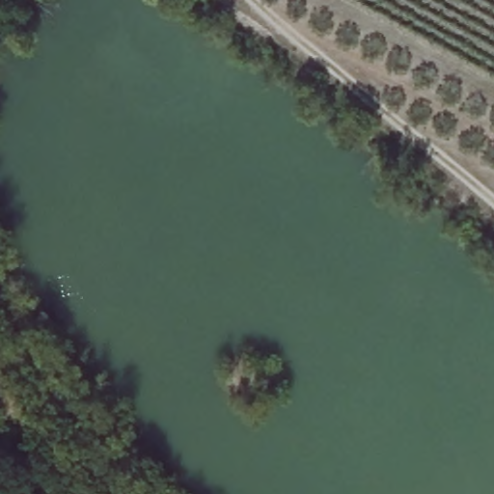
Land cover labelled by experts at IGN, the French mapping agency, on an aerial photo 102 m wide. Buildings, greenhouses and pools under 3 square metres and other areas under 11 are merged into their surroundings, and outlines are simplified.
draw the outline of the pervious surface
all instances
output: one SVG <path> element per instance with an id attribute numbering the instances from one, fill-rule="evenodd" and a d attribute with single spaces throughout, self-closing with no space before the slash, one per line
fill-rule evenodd
<path id="1" fill-rule="evenodd" d="M 268 25 L 272 25 L 280 37 L 284 37 L 291 46 L 295 46 L 297 54 L 324 62 L 332 79 L 340 83 L 355 83 L 355 77 L 343 68 L 340 62 L 336 62 L 330 54 L 326 54 L 301 31 L 297 31 L 291 19 L 288 17 L 288 0 L 243 0 L 255 14 L 261 15 Z"/>
<path id="2" fill-rule="evenodd" d="M 442 137 L 436 133 L 434 125 L 428 120 L 415 125 L 407 120 L 399 116 L 396 110 L 388 104 L 382 104 L 378 108 L 382 122 L 388 123 L 403 137 L 425 141 L 428 156 L 450 176 L 457 179 L 461 185 L 465 185 L 473 195 L 494 210 L 494 193 L 484 183 L 480 183 L 471 172 L 467 172 L 457 160 L 448 156 L 444 149 L 436 147 Z"/>

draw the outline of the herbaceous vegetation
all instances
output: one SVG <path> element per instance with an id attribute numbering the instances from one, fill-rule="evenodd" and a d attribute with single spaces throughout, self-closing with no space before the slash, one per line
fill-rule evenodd
<path id="1" fill-rule="evenodd" d="M 289 54 L 297 54 L 295 46 L 291 46 L 284 37 L 280 37 L 272 25 L 268 25 L 261 15 L 255 14 L 243 0 L 235 0 L 235 17 L 241 25 L 251 27 L 262 37 L 272 37 L 278 44 L 286 46 Z"/>
<path id="2" fill-rule="evenodd" d="M 473 195 L 465 185 L 461 185 L 457 179 L 450 176 L 448 185 L 452 191 L 457 191 L 461 203 L 467 203 Z"/>

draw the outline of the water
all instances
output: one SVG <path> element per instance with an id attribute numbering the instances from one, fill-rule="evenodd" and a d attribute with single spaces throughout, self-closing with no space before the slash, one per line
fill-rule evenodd
<path id="1" fill-rule="evenodd" d="M 151 6 L 145 6 L 141 0 L 44 0 L 39 2 L 41 25 L 37 29 L 35 54 L 27 60 L 12 56 L 0 64 L 0 183 L 8 181 L 12 185 L 15 199 L 25 206 L 23 222 L 10 232 L 15 257 L 27 257 L 31 261 L 31 270 L 41 276 L 42 282 L 58 280 L 60 297 L 68 301 L 69 311 L 73 313 L 75 322 L 87 332 L 89 342 L 95 345 L 110 345 L 112 369 L 123 369 L 127 365 L 137 367 L 137 396 L 125 401 L 131 407 L 133 421 L 143 419 L 145 423 L 156 423 L 160 426 L 168 438 L 172 453 L 181 457 L 181 465 L 187 469 L 189 477 L 205 480 L 212 494 L 494 494 L 494 288 L 488 280 L 473 272 L 469 262 L 463 259 L 463 253 L 457 243 L 440 237 L 440 228 L 434 218 L 428 222 L 409 224 L 403 216 L 396 216 L 390 210 L 380 210 L 372 206 L 370 199 L 378 189 L 380 181 L 374 176 L 367 152 L 342 152 L 334 149 L 326 139 L 324 123 L 318 122 L 313 127 L 305 127 L 293 120 L 291 96 L 284 89 L 274 87 L 268 93 L 262 91 L 262 79 L 266 75 L 264 71 L 249 73 L 230 68 L 224 62 L 224 56 L 218 48 L 206 46 L 203 37 L 185 31 L 178 23 L 158 17 Z M 291 367 L 293 370 L 293 384 L 288 388 L 288 407 L 272 413 L 266 425 L 257 432 L 249 430 L 241 423 L 239 417 L 233 415 L 232 409 L 226 405 L 224 390 L 218 386 L 214 378 L 216 365 L 222 359 L 239 359 L 241 355 L 276 357 L 282 363 L 282 367 Z"/>

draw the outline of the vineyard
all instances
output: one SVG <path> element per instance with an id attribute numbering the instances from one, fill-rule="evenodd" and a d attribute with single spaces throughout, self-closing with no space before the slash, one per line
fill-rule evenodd
<path id="1" fill-rule="evenodd" d="M 469 64 L 494 75 L 494 0 L 357 0 L 372 12 L 396 21 L 401 27 L 407 27 L 409 31 L 425 37 L 426 41 L 434 42 L 450 50 L 455 56 L 467 60 Z"/>

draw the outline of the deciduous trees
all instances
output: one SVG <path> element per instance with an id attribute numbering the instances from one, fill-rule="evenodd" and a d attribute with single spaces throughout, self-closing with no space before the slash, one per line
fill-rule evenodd
<path id="1" fill-rule="evenodd" d="M 0 64 L 12 56 L 27 60 L 35 54 L 37 29 L 41 25 L 39 2 L 44 0 L 0 0 Z"/>
<path id="2" fill-rule="evenodd" d="M 448 137 L 452 133 L 457 120 L 453 118 L 452 112 L 432 112 L 428 98 L 417 98 L 411 104 L 407 120 L 415 125 L 428 120 L 434 125 L 436 133 L 442 137 Z"/>
<path id="3" fill-rule="evenodd" d="M 291 19 L 303 17 L 307 0 L 288 0 L 288 17 Z"/>
<path id="4" fill-rule="evenodd" d="M 382 91 L 376 91 L 372 85 L 355 83 L 340 83 L 332 79 L 324 62 L 297 54 L 289 54 L 286 46 L 278 44 L 272 37 L 262 37 L 251 27 L 241 25 L 235 17 L 235 0 L 141 0 L 145 6 L 151 6 L 158 17 L 178 23 L 185 31 L 203 37 L 206 46 L 218 48 L 224 56 L 224 62 L 230 68 L 249 73 L 264 71 L 266 75 L 262 79 L 262 91 L 268 93 L 274 87 L 284 89 L 291 96 L 293 120 L 305 127 L 313 127 L 318 122 L 324 123 L 326 139 L 334 149 L 342 152 L 367 152 L 374 176 L 380 181 L 378 189 L 370 199 L 372 206 L 380 210 L 390 210 L 396 216 L 403 216 L 409 224 L 428 222 L 434 218 L 440 228 L 440 237 L 457 243 L 463 253 L 463 259 L 469 262 L 473 272 L 488 280 L 494 288 L 494 210 L 473 195 L 467 203 L 461 203 L 457 191 L 452 191 L 448 185 L 450 176 L 428 156 L 425 141 L 403 137 L 388 123 L 382 122 L 378 108 L 382 104 L 388 104 L 396 110 L 405 100 L 403 87 L 386 85 Z"/>
<path id="5" fill-rule="evenodd" d="M 444 85 L 438 87 L 438 95 L 442 96 L 442 102 L 453 104 L 461 96 L 461 77 L 446 75 Z"/>
<path id="6" fill-rule="evenodd" d="M 384 52 L 386 37 L 382 33 L 370 33 L 363 39 L 361 50 L 363 58 L 374 60 Z"/>
<path id="7" fill-rule="evenodd" d="M 293 384 L 293 370 L 291 367 L 282 367 L 282 363 L 276 357 L 241 355 L 239 359 L 222 359 L 216 365 L 214 378 L 218 386 L 224 390 L 226 405 L 232 409 L 233 415 L 239 417 L 241 423 L 249 430 L 257 432 L 266 425 L 272 413 L 288 407 L 288 388 Z"/>
<path id="8" fill-rule="evenodd" d="M 403 73 L 411 64 L 411 48 L 396 44 L 388 56 L 386 68 L 388 71 Z"/>
<path id="9" fill-rule="evenodd" d="M 482 91 L 471 91 L 467 102 L 459 106 L 459 110 L 471 116 L 482 116 L 486 108 L 486 96 Z"/>
<path id="10" fill-rule="evenodd" d="M 27 257 L 15 257 L 10 232 L 23 222 L 25 206 L 15 199 L 12 185 L 8 181 L 0 183 L 0 494 L 212 494 L 205 480 L 189 477 L 187 469 L 181 465 L 181 457 L 172 453 L 168 438 L 160 426 L 156 423 L 145 423 L 143 419 L 133 421 L 131 407 L 125 401 L 137 396 L 137 367 L 127 365 L 123 369 L 112 369 L 110 345 L 95 345 L 89 342 L 87 332 L 75 322 L 73 313 L 69 311 L 68 301 L 60 297 L 58 280 L 42 282 L 41 276 L 31 270 L 31 261 Z"/>
<path id="11" fill-rule="evenodd" d="M 438 66 L 434 62 L 423 62 L 413 73 L 415 87 L 419 89 L 428 87 L 438 75 Z"/>
<path id="12" fill-rule="evenodd" d="M 326 6 L 322 6 L 315 8 L 311 17 L 311 27 L 316 33 L 328 33 L 332 27 L 334 14 Z"/>
<path id="13" fill-rule="evenodd" d="M 338 29 L 336 41 L 342 46 L 353 46 L 359 35 L 359 27 L 355 21 L 343 21 Z"/>
<path id="14" fill-rule="evenodd" d="M 482 154 L 484 162 L 494 166 L 494 139 L 486 137 L 482 127 L 469 127 L 459 137 L 459 147 L 463 151 Z"/>

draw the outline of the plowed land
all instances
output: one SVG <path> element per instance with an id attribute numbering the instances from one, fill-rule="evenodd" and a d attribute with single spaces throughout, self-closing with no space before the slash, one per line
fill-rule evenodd
<path id="1" fill-rule="evenodd" d="M 332 27 L 328 33 L 316 33 L 311 27 L 311 17 L 315 8 L 322 6 L 326 6 L 334 14 Z M 467 172 L 471 172 L 480 183 L 484 183 L 494 193 L 494 166 L 484 162 L 482 154 L 463 151 L 459 147 L 459 137 L 469 127 L 482 127 L 486 137 L 494 139 L 494 75 L 469 64 L 467 60 L 455 56 L 450 50 L 434 42 L 426 41 L 425 37 L 409 31 L 407 27 L 401 27 L 396 21 L 372 12 L 357 0 L 307 0 L 303 17 L 291 19 L 297 31 L 301 31 L 326 54 L 330 54 L 336 62 L 340 62 L 343 68 L 355 77 L 355 83 L 372 85 L 376 91 L 382 91 L 386 85 L 403 87 L 405 100 L 396 110 L 399 116 L 407 120 L 411 104 L 417 98 L 428 98 L 432 112 L 452 112 L 453 118 L 457 120 L 452 133 L 448 137 L 442 137 L 436 147 L 444 149 L 448 156 L 457 160 Z M 359 27 L 359 35 L 353 46 L 342 46 L 336 41 L 338 29 L 343 21 L 355 21 Z M 386 37 L 384 52 L 374 60 L 363 58 L 361 50 L 363 39 L 370 33 L 382 33 Z M 403 73 L 388 71 L 386 68 L 388 56 L 396 44 L 411 48 L 411 64 Z M 438 75 L 428 87 L 419 89 L 415 87 L 413 73 L 423 62 L 434 62 L 438 66 Z M 461 96 L 453 104 L 442 102 L 442 96 L 438 95 L 438 87 L 444 85 L 446 75 L 461 77 Z M 486 108 L 482 116 L 471 116 L 459 110 L 459 106 L 467 102 L 471 91 L 482 91 L 486 96 Z"/>

